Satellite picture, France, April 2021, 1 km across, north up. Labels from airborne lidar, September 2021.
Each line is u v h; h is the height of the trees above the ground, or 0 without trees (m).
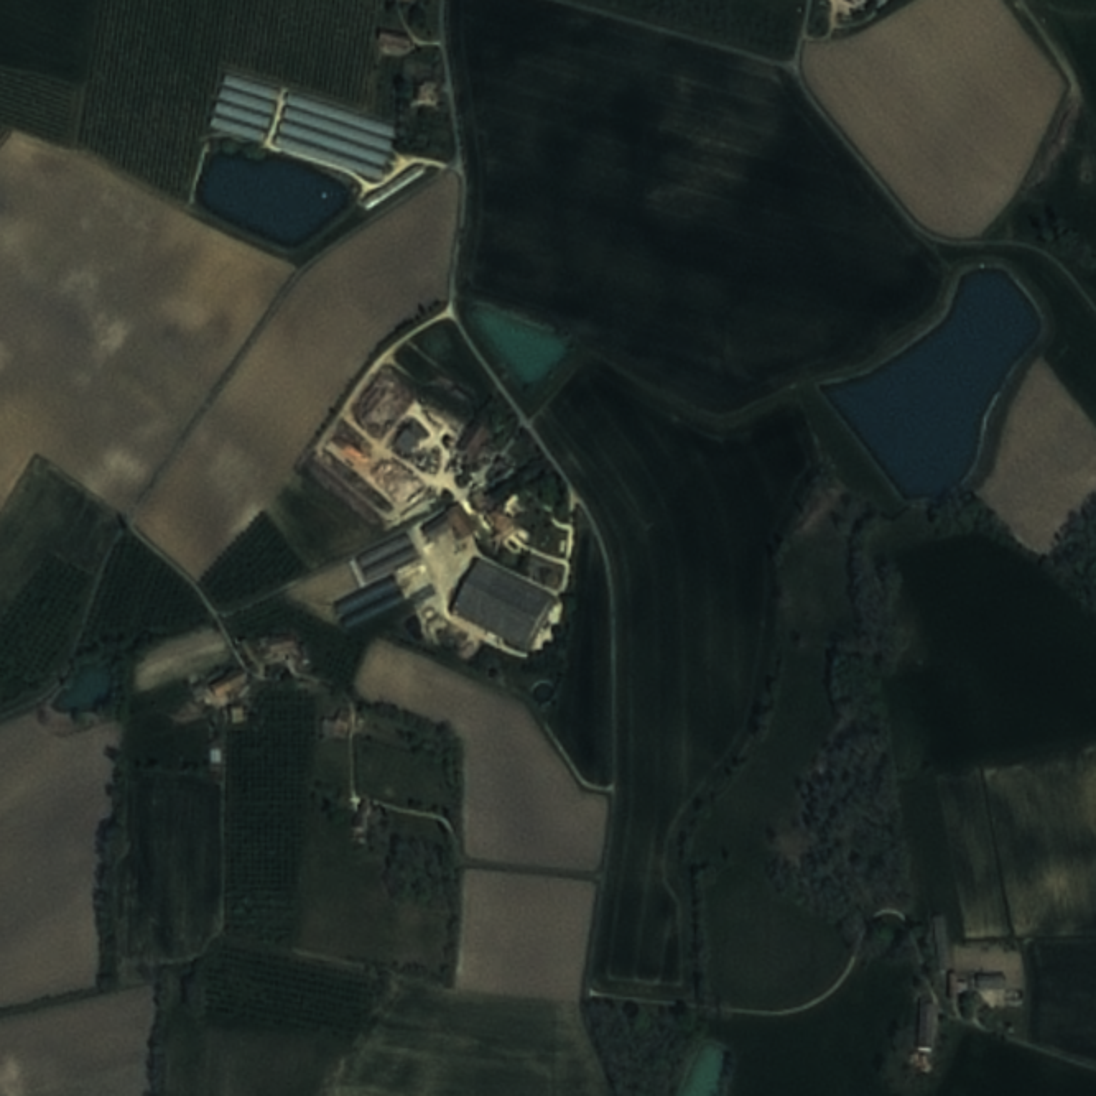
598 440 0
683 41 0
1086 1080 0
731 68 0
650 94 0
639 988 0
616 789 0
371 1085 0
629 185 0
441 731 10
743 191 0
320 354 0
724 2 9
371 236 0
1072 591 13
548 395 0
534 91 0
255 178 0
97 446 0
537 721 0
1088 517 16
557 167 0
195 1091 0
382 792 0
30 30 0
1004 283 0
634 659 0
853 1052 0
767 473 0
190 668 0
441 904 18
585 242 0
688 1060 24
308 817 0
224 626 10
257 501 0
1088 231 0
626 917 0
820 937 0
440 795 0
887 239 0
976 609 0
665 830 0
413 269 0
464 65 0
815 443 0
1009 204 0
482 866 0
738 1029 0
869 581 20
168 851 0
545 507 10
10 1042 0
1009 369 0
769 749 0
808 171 0
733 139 0
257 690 14
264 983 6
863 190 0
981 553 0
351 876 0
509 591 0
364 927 0
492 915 0
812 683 0
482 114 0
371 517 0
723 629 0
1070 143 0
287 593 0
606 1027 17
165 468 0
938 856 0
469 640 0
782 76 0
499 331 0
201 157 0
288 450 0
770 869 10
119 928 0
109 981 12
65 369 0
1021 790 0
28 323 0
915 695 0
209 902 0
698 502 0
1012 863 0
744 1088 0
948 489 0
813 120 0
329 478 0
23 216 0
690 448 0
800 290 0
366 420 0
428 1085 0
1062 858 0
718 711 0
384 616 0
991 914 0
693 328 0
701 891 11
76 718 10
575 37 0
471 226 0
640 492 0
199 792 0
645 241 0
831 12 0
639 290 0
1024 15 0
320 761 0
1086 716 0
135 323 0
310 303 0
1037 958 0
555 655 16
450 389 0
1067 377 0
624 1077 17
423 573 0
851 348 0
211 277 0
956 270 0
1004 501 0
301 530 0
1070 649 0
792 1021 0
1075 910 0
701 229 0
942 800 0
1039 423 0
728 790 0
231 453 0
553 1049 0
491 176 0
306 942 0
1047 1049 0
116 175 0
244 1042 0
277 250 0
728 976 0
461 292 0
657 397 0
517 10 0
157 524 0
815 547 0
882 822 21
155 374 0
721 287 0
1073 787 0
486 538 11
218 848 0
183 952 0
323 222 0
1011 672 0
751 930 0
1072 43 0
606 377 0
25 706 0
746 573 0
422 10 7
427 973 10
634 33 0
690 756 0
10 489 0
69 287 0
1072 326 0
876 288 0
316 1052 0
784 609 12
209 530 0
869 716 15
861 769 14
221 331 0
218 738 8
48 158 0
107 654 10
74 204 0
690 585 0
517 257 0
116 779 5
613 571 0
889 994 0
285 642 0
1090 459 0
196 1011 16
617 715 0
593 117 0
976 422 0
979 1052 0
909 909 19
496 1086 0
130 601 6
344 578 0
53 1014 0
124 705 9
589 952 0
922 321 0
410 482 0
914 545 0
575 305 0
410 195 0
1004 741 0
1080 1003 0
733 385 0
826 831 12
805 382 0
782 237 0
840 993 0
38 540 0
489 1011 0
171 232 0
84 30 0
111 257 0
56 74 0
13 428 0
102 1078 0
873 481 0
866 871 20
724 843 0
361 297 0
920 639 0
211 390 0
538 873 0
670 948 0
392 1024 0
